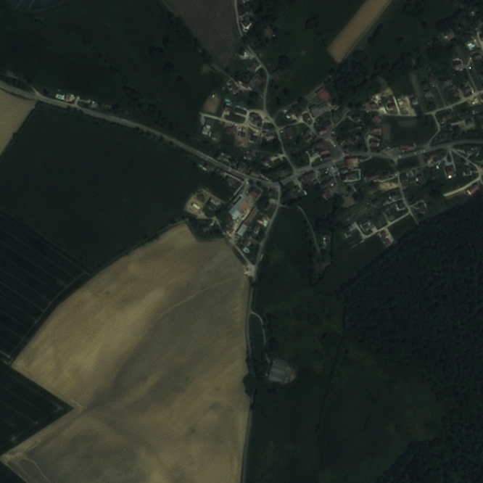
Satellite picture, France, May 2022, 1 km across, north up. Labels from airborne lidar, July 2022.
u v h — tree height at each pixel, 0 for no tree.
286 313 0
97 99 0
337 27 0
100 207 0
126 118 0
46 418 0
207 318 0
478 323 27
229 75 10
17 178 0
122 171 0
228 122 0
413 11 9
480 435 15
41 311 0
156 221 0
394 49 0
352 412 0
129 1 0
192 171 0
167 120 7
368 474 0
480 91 0
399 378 0
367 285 22
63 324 0
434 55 13
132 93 22
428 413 0
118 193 0
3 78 6
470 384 22
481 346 24
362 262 0
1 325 0
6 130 0
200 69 0
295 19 0
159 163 0
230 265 0
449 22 14
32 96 0
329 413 0
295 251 0
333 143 0
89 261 0
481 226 28
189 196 0
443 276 23
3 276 0
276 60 0
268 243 0
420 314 26
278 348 14
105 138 0
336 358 7
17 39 0
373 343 22
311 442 0
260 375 16
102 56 9
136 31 0
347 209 7
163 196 0
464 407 6
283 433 0
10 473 0
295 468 0
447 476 30
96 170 0
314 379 0
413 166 0
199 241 0
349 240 0
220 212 13
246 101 0
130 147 0
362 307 29
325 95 0
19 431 0
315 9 0
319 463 0
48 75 0
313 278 20
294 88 0
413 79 0
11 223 0
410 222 0
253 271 0
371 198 0
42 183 0
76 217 0
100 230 0
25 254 0
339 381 0
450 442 16
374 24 0
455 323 24
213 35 0
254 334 0
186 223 0
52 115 0
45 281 0
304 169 0
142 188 0
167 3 0
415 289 28
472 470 24
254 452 0
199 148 0
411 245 23
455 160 0
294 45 0
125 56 0
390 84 13
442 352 26
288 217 0
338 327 0
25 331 0
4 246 0
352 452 0
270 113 0
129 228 0
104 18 0
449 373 24
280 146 14
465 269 25
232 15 0
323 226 19
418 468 24
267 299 0
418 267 25
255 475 0
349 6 0
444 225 21
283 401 0
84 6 0
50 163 0
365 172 6
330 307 0
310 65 0
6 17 0
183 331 0
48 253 0
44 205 0
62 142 0
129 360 0
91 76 0
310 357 0
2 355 0
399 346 26
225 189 0
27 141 0
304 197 6
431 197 11
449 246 24
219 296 0
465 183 0
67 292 0
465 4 11
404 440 0
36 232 0
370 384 0
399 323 28
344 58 0
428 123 22
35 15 0
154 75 0
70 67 0
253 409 12
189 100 0
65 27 0
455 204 0
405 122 0
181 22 18
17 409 0
